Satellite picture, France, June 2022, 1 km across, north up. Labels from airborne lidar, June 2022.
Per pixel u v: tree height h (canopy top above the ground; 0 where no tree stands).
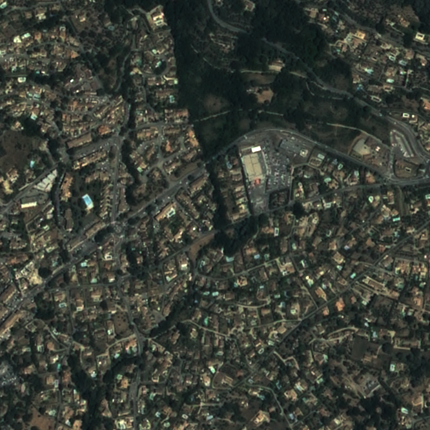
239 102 14
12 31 0
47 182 0
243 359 12
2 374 0
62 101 11
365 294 0
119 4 14
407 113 0
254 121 6
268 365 11
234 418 18
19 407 10
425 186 8
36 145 0
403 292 8
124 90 9
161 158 0
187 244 15
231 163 7
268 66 9
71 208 8
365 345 0
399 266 0
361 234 0
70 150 14
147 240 0
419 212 7
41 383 20
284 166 0
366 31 6
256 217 7
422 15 19
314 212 10
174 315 17
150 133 0
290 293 9
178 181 0
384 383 9
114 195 0
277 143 0
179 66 10
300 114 15
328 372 14
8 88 9
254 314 0
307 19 15
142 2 15
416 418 13
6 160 0
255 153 0
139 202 6
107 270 6
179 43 14
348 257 7
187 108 11
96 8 9
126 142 10
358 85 8
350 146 0
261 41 12
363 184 8
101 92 16
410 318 14
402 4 12
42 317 22
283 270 0
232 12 6
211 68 10
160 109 11
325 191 10
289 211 10
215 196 11
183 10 20
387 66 6
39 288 0
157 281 9
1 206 0
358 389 0
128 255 16
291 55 11
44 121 10
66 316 7
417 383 23
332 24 7
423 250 8
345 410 12
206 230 13
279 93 8
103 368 0
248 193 9
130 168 7
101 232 11
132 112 11
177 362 10
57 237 0
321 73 9
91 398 27
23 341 0
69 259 10
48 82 16
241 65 16
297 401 5
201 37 8
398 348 0
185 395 7
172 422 12
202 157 10
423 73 6
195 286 10
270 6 15
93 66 11
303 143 0
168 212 0
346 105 6
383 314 6
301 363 6
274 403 9
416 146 0
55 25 8
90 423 21
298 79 14
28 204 0
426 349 11
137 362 19
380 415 6
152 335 13
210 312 7
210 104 0
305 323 11
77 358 6
